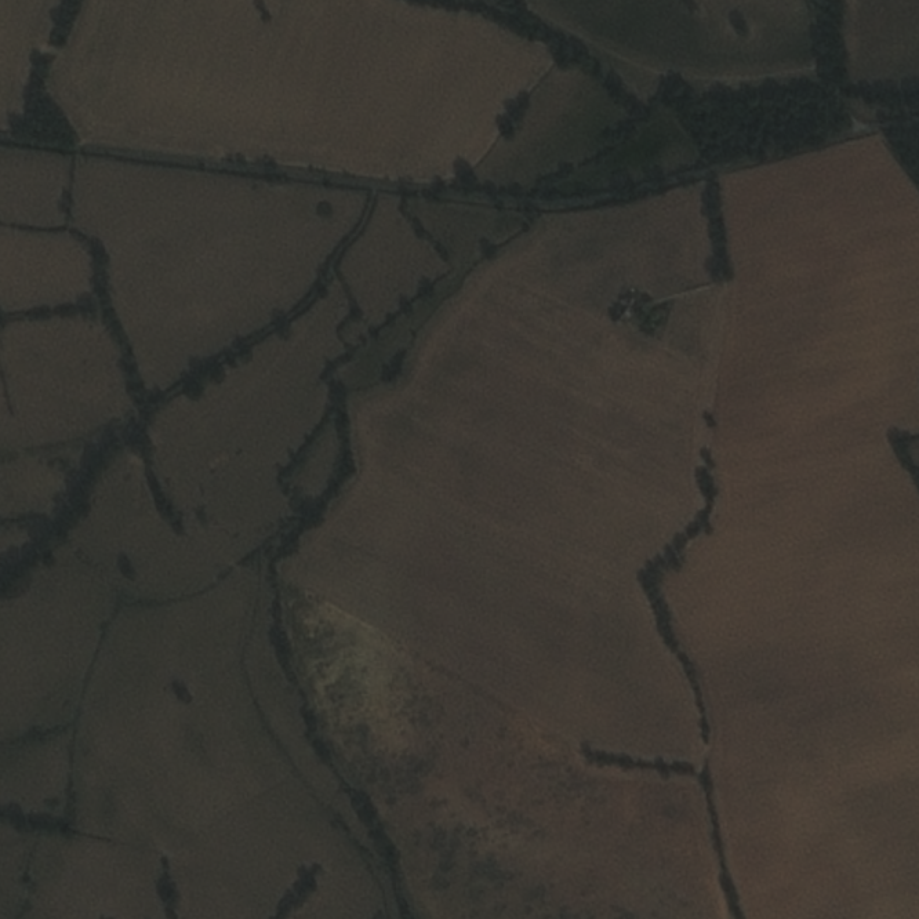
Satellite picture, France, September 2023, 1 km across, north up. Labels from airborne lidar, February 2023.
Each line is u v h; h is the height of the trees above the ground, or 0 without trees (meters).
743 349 0
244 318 0
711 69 0
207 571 0
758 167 0
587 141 0
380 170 0
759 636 0
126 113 0
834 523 0
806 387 0
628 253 0
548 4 0
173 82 0
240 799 0
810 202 0
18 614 0
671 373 0
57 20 16
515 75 0
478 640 0
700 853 0
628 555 0
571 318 0
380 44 0
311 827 0
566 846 0
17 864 0
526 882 0
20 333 0
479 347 0
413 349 0
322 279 13
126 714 0
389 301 0
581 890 0
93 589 0
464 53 0
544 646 0
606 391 0
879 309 0
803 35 0
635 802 0
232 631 0
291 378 0
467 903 0
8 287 0
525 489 0
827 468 0
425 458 0
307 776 0
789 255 0
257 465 0
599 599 0
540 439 0
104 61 0
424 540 0
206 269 0
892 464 0
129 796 0
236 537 0
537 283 0
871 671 0
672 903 0
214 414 0
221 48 0
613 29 0
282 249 0
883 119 11
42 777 0
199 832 0
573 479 0
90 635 0
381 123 0
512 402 0
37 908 0
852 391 0
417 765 0
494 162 0
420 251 0
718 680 0
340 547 0
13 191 0
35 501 0
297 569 0
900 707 0
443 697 0
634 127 12
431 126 0
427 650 0
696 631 0
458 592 0
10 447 0
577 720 0
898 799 0
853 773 0
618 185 15
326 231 0
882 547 0
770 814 0
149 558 0
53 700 0
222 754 0
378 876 0
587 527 0
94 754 0
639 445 0
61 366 0
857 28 0
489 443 0
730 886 15
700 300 0
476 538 0
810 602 0
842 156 0
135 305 0
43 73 12
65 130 15
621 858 0
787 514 0
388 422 0
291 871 0
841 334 0
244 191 0
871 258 0
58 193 0
